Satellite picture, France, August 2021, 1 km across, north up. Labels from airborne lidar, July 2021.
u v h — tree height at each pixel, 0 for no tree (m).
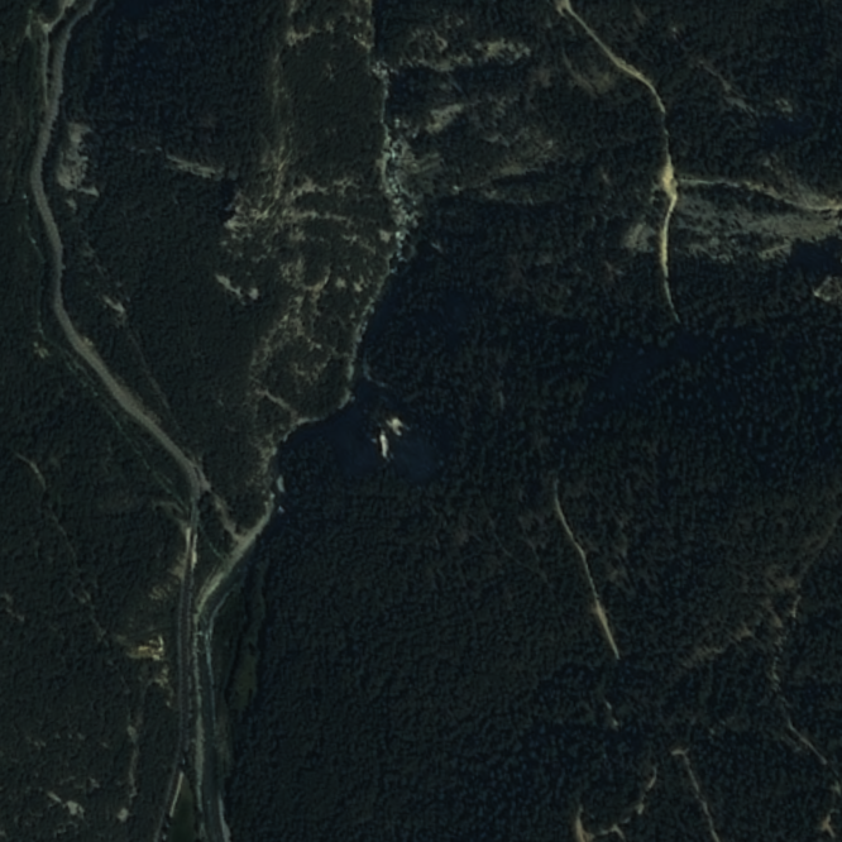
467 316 10
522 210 9
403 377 16
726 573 14
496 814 24
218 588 0
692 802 21
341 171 9
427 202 9
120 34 12
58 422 16
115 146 10
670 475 19
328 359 19
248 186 6
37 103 6
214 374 9
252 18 16
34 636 18
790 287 15
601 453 23
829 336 15
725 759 20
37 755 17
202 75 15
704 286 11
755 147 11
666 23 14
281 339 14
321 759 15
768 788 17
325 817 12
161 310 14
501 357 18
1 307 9
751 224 0
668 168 0
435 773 14
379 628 22
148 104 14
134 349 7
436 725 11
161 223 9
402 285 15
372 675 21
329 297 17
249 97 16
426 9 10
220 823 0
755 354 33
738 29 8
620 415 26
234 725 7
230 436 11
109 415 8
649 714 12
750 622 19
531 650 12
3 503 18
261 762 13
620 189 9
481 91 8
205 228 12
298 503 11
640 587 10
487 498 17
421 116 12
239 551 0
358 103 13
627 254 10
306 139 11
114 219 10
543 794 22
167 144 14
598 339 12
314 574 15
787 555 17
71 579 13
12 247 14
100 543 12
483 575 18
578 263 16
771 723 18
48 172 9
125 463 12
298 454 14
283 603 19
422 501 8
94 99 12
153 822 17
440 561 18
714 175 11
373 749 14
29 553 17
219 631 5
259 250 9
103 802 10
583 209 18
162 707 14
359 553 17
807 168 12
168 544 11
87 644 16
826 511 17
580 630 19
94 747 12
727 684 8
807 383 29
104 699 14
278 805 18
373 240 9
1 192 12
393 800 17
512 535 12
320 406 14
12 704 19
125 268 13
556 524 7
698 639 12
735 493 14
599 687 20
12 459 14
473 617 14
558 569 12
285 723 13
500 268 19
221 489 8
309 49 16
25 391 15
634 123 12
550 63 7
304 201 15
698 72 12
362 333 0
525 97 13
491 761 21
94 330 14
